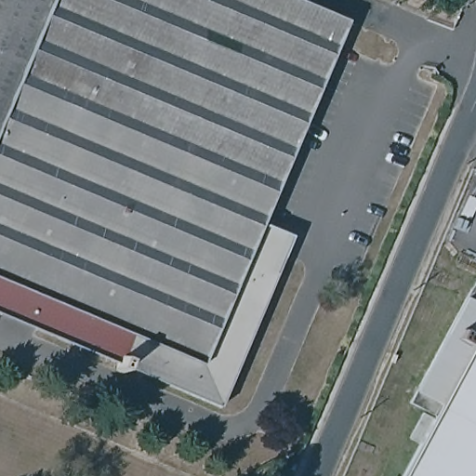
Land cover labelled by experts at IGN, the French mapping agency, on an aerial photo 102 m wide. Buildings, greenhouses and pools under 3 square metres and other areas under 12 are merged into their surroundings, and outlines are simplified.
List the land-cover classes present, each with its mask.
<instances>
[{"label":"building","instance_id":"1","mask_svg":"<svg viewBox=\"0 0 476 476\"><path fill-rule=\"evenodd\" d=\"M353 24L350 17L329 7L314 4L311 0H0V311L59 337L69 338L71 348L95 353L99 357L100 366L108 368L112 374L141 372L147 376L158 377L165 385L184 394H190L193 398H199L218 409L227 405L236 377L240 374L247 357V351L257 335L258 325L268 309L271 294L281 277L286 258L294 247L296 236L294 232L284 231L281 227L273 225L271 216L283 193L292 165L296 162L301 143L311 128L314 113L324 97L329 78L337 65L338 56L342 54V48ZM411 394L409 403L418 409L420 418L411 433V439L416 443L415 454L403 470L402 476H476V283L470 286L461 309L457 312L448 333L444 335L443 342L422 381L415 390H407Z\"/></svg>","mask_w":476,"mask_h":476},{"label":"impervious surface","instance_id":"2","mask_svg":"<svg viewBox=\"0 0 476 476\"><path fill-rule=\"evenodd\" d=\"M314 4L329 7L350 17L353 24L342 48V54L338 56L337 65L329 78L324 97L314 113L311 128L301 143L296 162L292 165L283 193L271 216L273 225L281 227L284 231L294 232L296 236L305 240L297 258L303 260L307 266V279L297 296L296 305L288 318V324L284 327L277 350L268 364L264 381L251 405L245 409V413L221 420L219 416L208 415L195 405L164 394L162 390L165 385L158 377L147 376L141 372L112 374L108 368L100 366L99 357L95 353L71 348L69 338L59 337L0 311V357H9L11 363L19 366L20 372L26 376H30L33 364L54 366V374L63 377L67 389L73 394H78L80 405H86L87 396L93 390L110 385L119 394V400L123 402L125 409H138L143 418L151 420L160 426L158 439H164L167 444L173 437H177L178 431L182 435L197 431V439L208 443L212 456L223 459L229 469H232V465L238 459L245 456L247 446L251 444L247 435H253L257 431L255 426L258 415L268 402L273 400L275 392H284L283 385L288 370L294 363V357L301 346V338L311 322L316 305L324 279L331 277L346 283L348 296L351 297H357L366 283V270H370L372 260L370 257L363 258L364 249L366 245L372 244V234L376 231L377 221L387 216L385 205L390 188L398 175L400 165L409 164V147L413 145L415 128L420 123V117L430 100L431 87L416 80V71L424 67H435L444 80L452 84V95L450 104H454V110L444 123L441 138L431 154L430 164L426 167V173L422 175L415 199L411 201L400 234L392 245L387 264L377 281L376 290L368 301L363 322L359 325L355 338L348 335L340 340L344 348L348 351L346 361L342 364L340 376L335 381V387L331 390V396L325 403L324 413L318 422L312 435L311 443L322 446L320 467L316 470L320 476H346L351 459L361 444L366 424L372 416V409L385 385V379L389 376L390 366L396 363L398 357H403L400 344L405 337L407 325L413 318L418 299L424 290V283L430 277L441 249H448L450 255L461 253V264H465L470 270H476V0H469L463 11L457 9L456 13H446L439 11L435 6L422 9V4L426 0H311ZM363 26L398 41L400 56L396 58L394 65L383 67L379 63H370L357 56L353 46Z\"/></svg>","mask_w":476,"mask_h":476},{"label":"herbaceous vegetation","instance_id":"3","mask_svg":"<svg viewBox=\"0 0 476 476\"><path fill-rule=\"evenodd\" d=\"M357 56L370 63H379L383 67L394 65L396 58L400 56L398 41L363 26L353 46ZM416 80L431 87L430 100L420 117V123L415 128L413 145L409 147V164L400 165L398 175L390 188L385 205L387 216L377 221L376 231L372 234V244L366 245L364 249L363 258L370 257L372 260H379V253L389 232H396L392 229V221L402 205L403 197L411 184V178L415 175L416 165L422 158L428 139L435 138L439 108L443 106L446 95H452V84L444 80L435 67H424L416 71ZM305 240L296 236L294 247L286 258L281 277L271 294L268 309L258 325L257 335L247 351V357L240 374L236 377L227 405L218 409L199 398H193L190 394H184L165 385L162 390L164 394L195 405L208 415L219 416L221 420L245 413V409L251 405L264 381L268 364L277 350L284 327L288 324V318L296 305L297 296L307 279V266L303 260L297 258ZM476 283V270H470L465 264H461V253L450 255L448 249H441L430 277L424 283V290L418 299L413 318L407 325L405 337L400 344L403 357H398L396 363L390 366L389 376L385 379V385L372 409V416L366 424L361 444L351 459L346 476H402L403 470L415 454L416 443L411 439V433L420 418L418 409L409 403L411 394L407 390H415L422 381L443 342L444 335L448 333L457 312L461 309L470 286ZM361 305V299L357 297H351L346 301V305L338 307L335 311H327L324 307L316 305L311 322L301 338V346L294 357V363L288 370L283 385L284 392H275L273 400L284 403L286 415L296 416L301 428L312 435L318 422L312 418L311 400L318 394L322 396L327 387V377L333 361L338 351L344 348L340 340L348 335L353 316ZM63 402L58 398H43L41 390L33 387V377L30 376H26L15 389L0 392V476H50L61 470V459L76 461L80 457L91 463L89 474H93L95 470L108 469L112 476H266L258 474L253 465L270 461L279 452L266 448L262 443L264 433L257 431L253 435H247L251 444L247 446L245 456L238 459L232 465V469H229L223 474H210L206 472V463L203 459H182L177 454V437H173L167 444L156 454L141 450L139 433L151 420L143 418H139L136 426L126 433L117 431L108 439V443L95 441L97 431L91 426V422H61ZM322 446L311 443L307 444V448H303L301 444H294L290 448L288 461L284 463L283 469H279L281 476H320L316 470L320 467Z\"/></svg>","mask_w":476,"mask_h":476},{"label":"deciduous trees","instance_id":"4","mask_svg":"<svg viewBox=\"0 0 476 476\"><path fill-rule=\"evenodd\" d=\"M469 0H426L422 4V9L435 6L439 11L446 13H456L457 9L463 11ZM351 297L348 296L346 283L331 277L324 279L316 305L324 307L327 311H335L338 307L346 305V301ZM26 376L20 372L19 366L11 363L9 357H0V392L15 389ZM30 376L33 377V387L41 390L43 398H58L63 402L61 422H91V426L97 431L95 441L108 443V439L117 431L126 433L136 426L139 418H143L138 409H125L123 402L119 400V394L110 385L93 390L87 396L86 405H80L78 394H73L67 389L63 377L54 374V366L33 364ZM257 431L264 433L262 443L266 448L279 452L270 461L253 465L258 474L266 476H281L279 469H283L284 463L288 461L290 448L294 444H301L303 448H307V444L311 443L312 435L301 428L296 416L286 415L284 403L273 400L268 402L258 415L255 426ZM160 426L151 420L139 433L141 450L156 454L167 444L164 439H158ZM177 454L182 459H203L206 463V472L210 474H223L229 469L223 459L212 456L208 443L197 439V431L182 435L178 431L177 437ZM91 463L80 457L76 461L61 459V470L50 476H112L108 469L95 470L93 474H89Z\"/></svg>","mask_w":476,"mask_h":476},{"label":"brushwood","instance_id":"5","mask_svg":"<svg viewBox=\"0 0 476 476\"><path fill-rule=\"evenodd\" d=\"M452 95H446L443 106L439 108L435 138L428 139L422 158L416 165L415 175L411 178V184L403 197L402 205L392 221V229L396 232H389L379 253V260H372L370 270H366V283L357 297L361 299V305L353 316L348 335L355 338L359 325L363 322L368 301L376 290L377 281L387 264L392 245L400 234L411 201L415 199L422 175L426 173V167L430 164L431 154L441 138L444 123L454 110V104H450ZM348 351L344 348L338 351L333 361L327 377V387L322 396L318 394L311 400L312 418L318 422L324 413L325 403L331 396V390L335 387V381L340 376L342 364L346 361Z\"/></svg>","mask_w":476,"mask_h":476}]
</instances>
